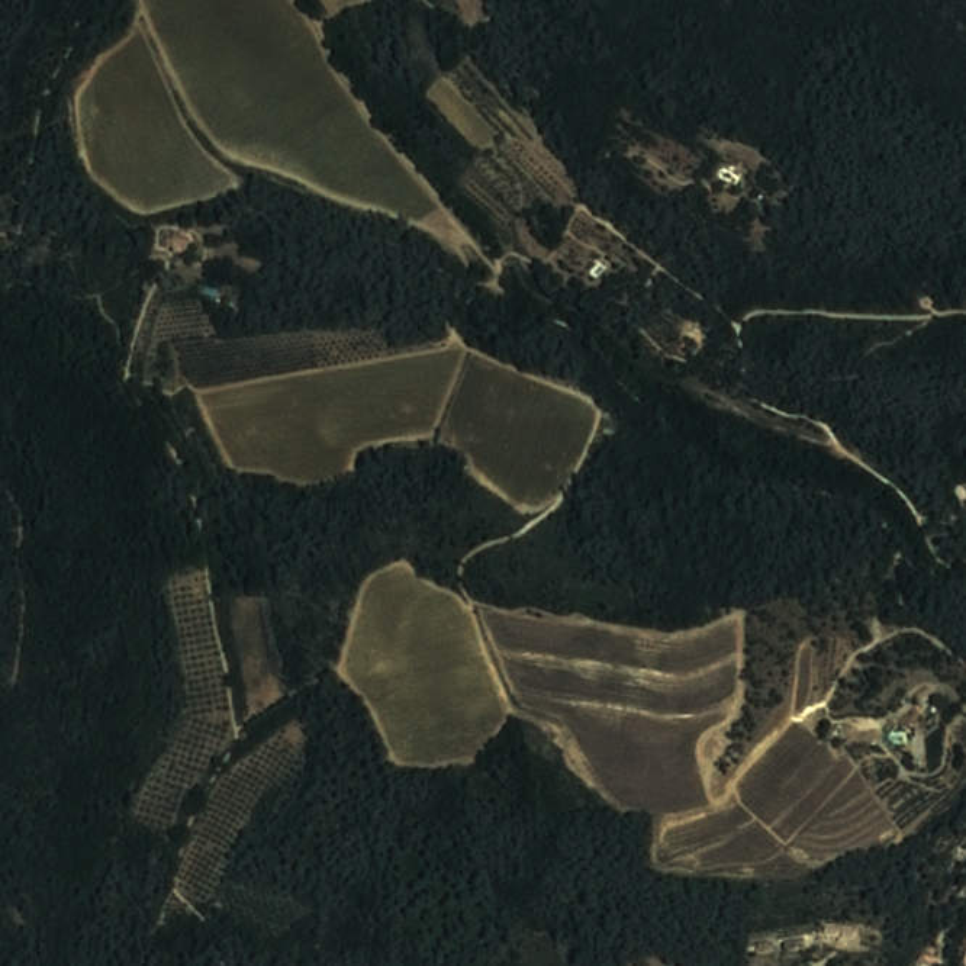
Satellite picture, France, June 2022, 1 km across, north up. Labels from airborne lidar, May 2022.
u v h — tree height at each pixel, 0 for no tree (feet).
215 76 0
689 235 51
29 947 53
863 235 70
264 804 23
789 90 22
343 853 61
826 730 44
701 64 37
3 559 46
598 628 0
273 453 0
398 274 71
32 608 28
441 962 71
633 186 36
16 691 30
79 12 31
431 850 40
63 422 39
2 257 29
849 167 60
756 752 0
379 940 50
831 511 76
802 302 31
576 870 88
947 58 19
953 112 30
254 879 40
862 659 29
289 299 60
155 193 0
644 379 53
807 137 23
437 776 46
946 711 44
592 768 0
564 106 32
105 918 68
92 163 0
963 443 72
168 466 79
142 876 62
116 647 52
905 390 71
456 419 0
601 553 53
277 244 69
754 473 50
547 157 0
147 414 46
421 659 0
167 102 0
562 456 0
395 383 0
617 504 33
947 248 44
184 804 24
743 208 31
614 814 46
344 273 68
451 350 0
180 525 39
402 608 0
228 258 28
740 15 21
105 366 26
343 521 38
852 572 61
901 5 19
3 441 53
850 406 66
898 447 45
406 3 26
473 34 39
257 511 53
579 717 0
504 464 0
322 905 53
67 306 57
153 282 27
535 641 0
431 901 75
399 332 59
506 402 0
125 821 26
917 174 67
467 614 0
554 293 62
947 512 59
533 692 0
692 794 0
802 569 36
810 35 29
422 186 0
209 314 36
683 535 26
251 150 0
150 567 38
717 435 55
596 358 31
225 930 37
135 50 0
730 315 38
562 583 22
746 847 0
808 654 0
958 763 41
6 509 53
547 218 43
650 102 18
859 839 0
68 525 30
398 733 0
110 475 44
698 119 25
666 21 22
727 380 23
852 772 0
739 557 36
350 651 0
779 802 0
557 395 0
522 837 73
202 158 0
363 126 0
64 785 30
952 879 43
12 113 29
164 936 43
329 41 35
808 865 0
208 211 45
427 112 50
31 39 31
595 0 19
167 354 20
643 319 54
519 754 50
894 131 40
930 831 28
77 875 31
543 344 61
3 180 35
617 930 68
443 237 0
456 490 22
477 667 0
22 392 34
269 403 0
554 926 34
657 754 0
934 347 30
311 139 0
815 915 26
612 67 31
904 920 70
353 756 41
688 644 0
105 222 55
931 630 54
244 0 0
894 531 41
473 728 0
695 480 27
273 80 0
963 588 74
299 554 58
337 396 0
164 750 25
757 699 21
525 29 50
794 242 39
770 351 41
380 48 51
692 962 82
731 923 69
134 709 49
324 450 0
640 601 24
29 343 47
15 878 51
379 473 70
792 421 25
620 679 0
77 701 26
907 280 30
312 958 24
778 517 82
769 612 22
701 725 0
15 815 55
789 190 18
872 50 63
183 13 0
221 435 0
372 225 72
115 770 47
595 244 0
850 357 48
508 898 56
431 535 26
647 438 22
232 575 68
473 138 0
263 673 0
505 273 30
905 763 29
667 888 68
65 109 41
